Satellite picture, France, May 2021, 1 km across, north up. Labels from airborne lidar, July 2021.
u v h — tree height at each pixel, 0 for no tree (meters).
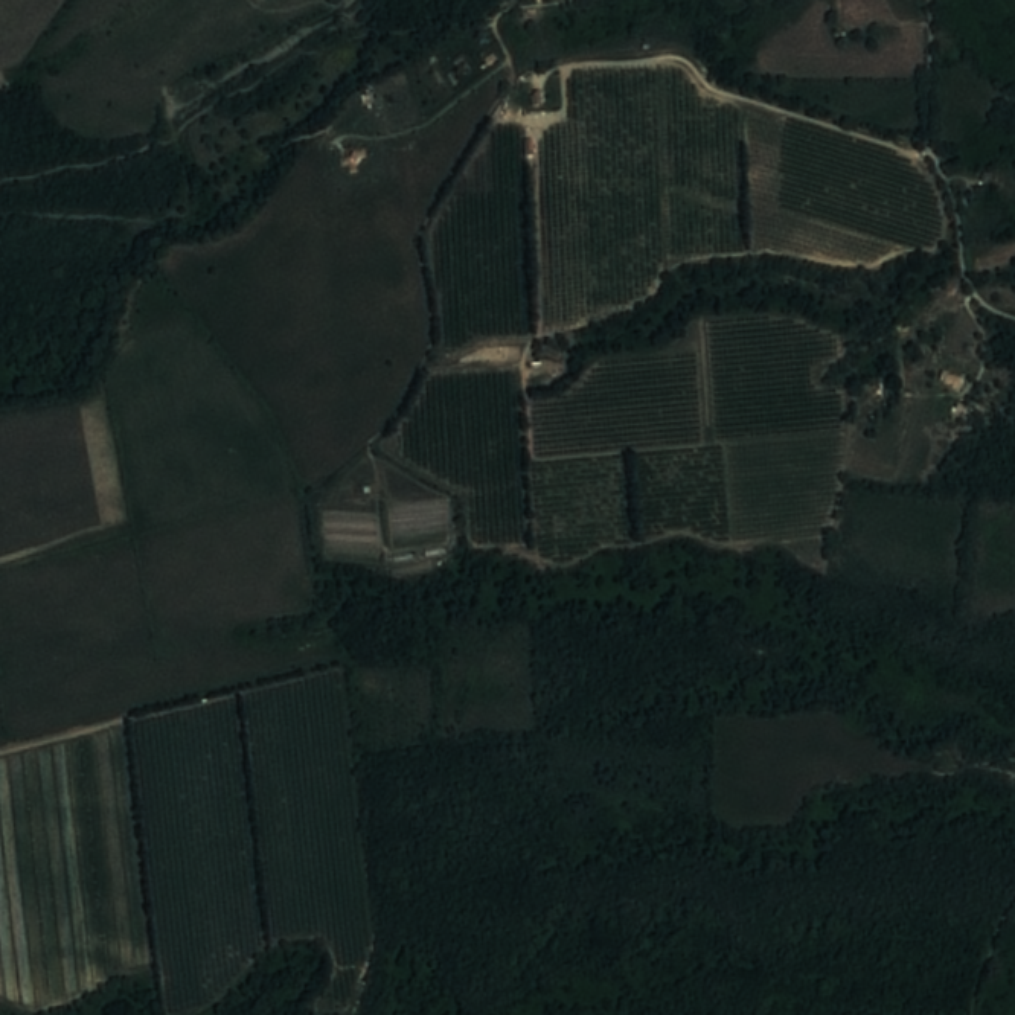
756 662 10
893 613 8
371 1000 9
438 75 0
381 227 0
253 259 0
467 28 6
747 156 16
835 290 11
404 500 0
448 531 0
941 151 10
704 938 11
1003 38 0
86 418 0
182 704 13
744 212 17
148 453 0
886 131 6
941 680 7
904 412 0
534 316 17
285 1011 10
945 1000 9
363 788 8
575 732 6
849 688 7
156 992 10
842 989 11
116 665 0
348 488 0
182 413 0
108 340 9
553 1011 11
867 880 7
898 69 0
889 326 9
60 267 10
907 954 11
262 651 0
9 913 0
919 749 13
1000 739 7
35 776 0
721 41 7
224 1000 6
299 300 0
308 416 0
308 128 6
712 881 6
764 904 7
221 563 0
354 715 9
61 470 0
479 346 0
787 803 0
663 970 9
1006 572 0
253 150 0
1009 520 0
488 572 14
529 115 0
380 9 9
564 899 8
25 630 0
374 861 7
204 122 9
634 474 19
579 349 13
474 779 6
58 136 7
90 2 0
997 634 8
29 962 0
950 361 0
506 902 8
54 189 6
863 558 0
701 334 0
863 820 11
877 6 0
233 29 0
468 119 0
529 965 10
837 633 11
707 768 11
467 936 7
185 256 0
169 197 6
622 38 0
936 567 0
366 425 0
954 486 13
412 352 0
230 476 0
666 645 8
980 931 11
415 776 6
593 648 11
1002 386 14
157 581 0
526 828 12
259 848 12
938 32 6
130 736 14
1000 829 13
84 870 0
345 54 0
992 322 7
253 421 0
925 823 16
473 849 7
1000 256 0
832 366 6
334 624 11
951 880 6
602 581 14
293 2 0
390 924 5
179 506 0
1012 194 0
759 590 11
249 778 15
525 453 14
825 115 8
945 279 7
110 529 0
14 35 0
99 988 9
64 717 0
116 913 0
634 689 9
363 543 0
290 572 0
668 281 13
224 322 0
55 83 0
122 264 12
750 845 16
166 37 0
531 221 17
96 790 0
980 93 0
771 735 0
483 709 0
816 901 5
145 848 13
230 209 15
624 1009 11
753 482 0
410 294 0
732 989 9
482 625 10
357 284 0
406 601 15
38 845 0
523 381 0
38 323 10
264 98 7
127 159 8
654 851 11
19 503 0
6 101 8
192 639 0
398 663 9
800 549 0
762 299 10
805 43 0
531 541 18
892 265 12
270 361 0
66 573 0
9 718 0
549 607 10
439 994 6
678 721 7
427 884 7
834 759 0
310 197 0
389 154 0
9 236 5
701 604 9
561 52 0
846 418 14
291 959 18
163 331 0
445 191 16
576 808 10
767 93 12
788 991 5
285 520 0
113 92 0
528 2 9
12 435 0
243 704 16
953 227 9
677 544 7
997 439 10
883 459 0
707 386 0
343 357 0
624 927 12
